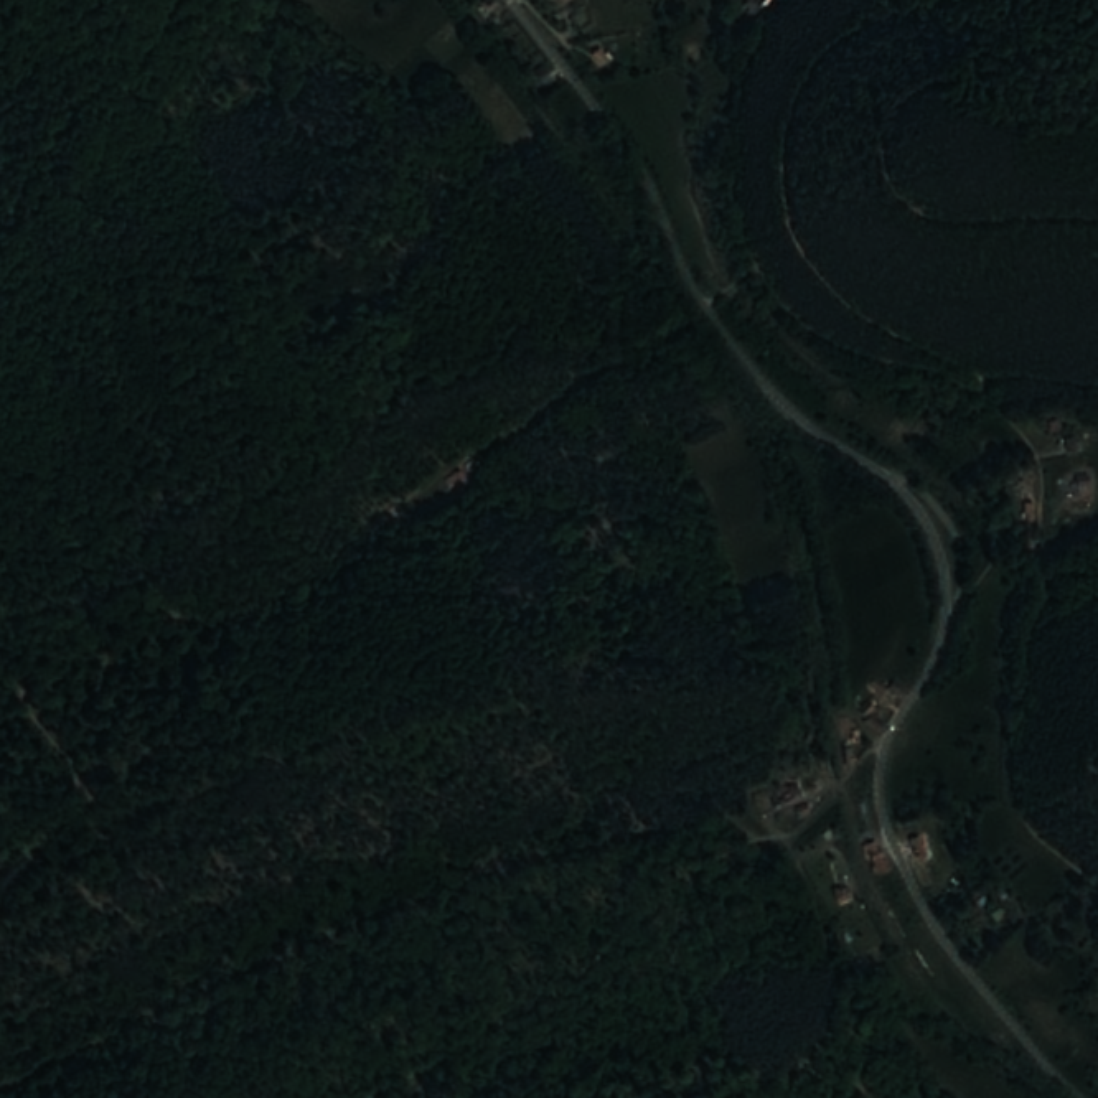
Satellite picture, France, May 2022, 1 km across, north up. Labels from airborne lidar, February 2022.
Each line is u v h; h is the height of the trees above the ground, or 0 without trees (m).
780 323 18
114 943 28
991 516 15
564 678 25
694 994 11
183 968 9
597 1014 28
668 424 15
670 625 17
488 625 31
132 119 28
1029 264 15
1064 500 0
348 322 35
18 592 25
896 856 0
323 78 37
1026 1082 13
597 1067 19
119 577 27
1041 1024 0
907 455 0
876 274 12
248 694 29
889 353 18
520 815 8
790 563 0
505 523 31
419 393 20
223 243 29
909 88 17
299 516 30
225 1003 33
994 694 0
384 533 28
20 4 25
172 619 37
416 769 24
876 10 17
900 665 0
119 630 36
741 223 17
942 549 0
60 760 0
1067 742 15
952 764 0
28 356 0
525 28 0
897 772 0
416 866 11
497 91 0
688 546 32
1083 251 16
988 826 0
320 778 26
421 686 25
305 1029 30
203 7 29
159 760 29
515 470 21
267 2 25
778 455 14
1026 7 31
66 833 10
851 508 15
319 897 10
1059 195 12
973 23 22
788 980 16
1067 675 18
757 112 17
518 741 27
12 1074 11
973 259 15
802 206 10
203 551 26
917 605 0
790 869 13
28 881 24
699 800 6
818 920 7
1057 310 19
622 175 27
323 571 29
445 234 22
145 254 29
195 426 21
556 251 21
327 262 7
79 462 28
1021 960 0
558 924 30
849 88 16
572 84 0
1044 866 0
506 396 23
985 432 0
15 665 29
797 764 9
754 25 21
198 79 33
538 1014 25
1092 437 0
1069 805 11
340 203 27
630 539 31
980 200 14
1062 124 19
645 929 28
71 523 26
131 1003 10
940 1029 13
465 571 26
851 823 0
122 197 29
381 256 12
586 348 16
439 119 30
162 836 9
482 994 26
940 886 0
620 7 0
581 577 31
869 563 0
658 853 31
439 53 0
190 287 29
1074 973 0
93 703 36
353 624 31
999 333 18
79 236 28
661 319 23
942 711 0
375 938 33
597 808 11
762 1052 18
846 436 0
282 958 35
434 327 13
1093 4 24
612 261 20
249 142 9
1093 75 24
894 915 0
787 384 10
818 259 13
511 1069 26
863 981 26
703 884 26
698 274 14
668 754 26
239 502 25
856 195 19
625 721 21
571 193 22
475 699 22
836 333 19
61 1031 15
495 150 26
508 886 35
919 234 11
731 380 13
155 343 27
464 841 13
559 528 31
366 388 29
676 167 0
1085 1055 0
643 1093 26
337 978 31
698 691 19
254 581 29
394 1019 31
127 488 27
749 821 0
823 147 26
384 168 27
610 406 20
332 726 23
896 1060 32
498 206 24
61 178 27
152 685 9
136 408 23
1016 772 18
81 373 27
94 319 27
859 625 0
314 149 13
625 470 19
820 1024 14
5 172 30
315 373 29
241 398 22
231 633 33
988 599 0
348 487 20
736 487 0
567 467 14
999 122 16
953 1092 0
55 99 29
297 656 30
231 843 25
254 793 12
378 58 0
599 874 30
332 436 24
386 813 27
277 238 18
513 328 13
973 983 0
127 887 27
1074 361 19
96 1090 35
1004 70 28
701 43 0
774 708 21
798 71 18
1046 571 29
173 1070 31
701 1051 9
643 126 0
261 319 31
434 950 31
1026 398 16
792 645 20
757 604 29
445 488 0
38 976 9
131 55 20
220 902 7
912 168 9
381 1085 25
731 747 25
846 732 0
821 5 18
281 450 26
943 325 18
